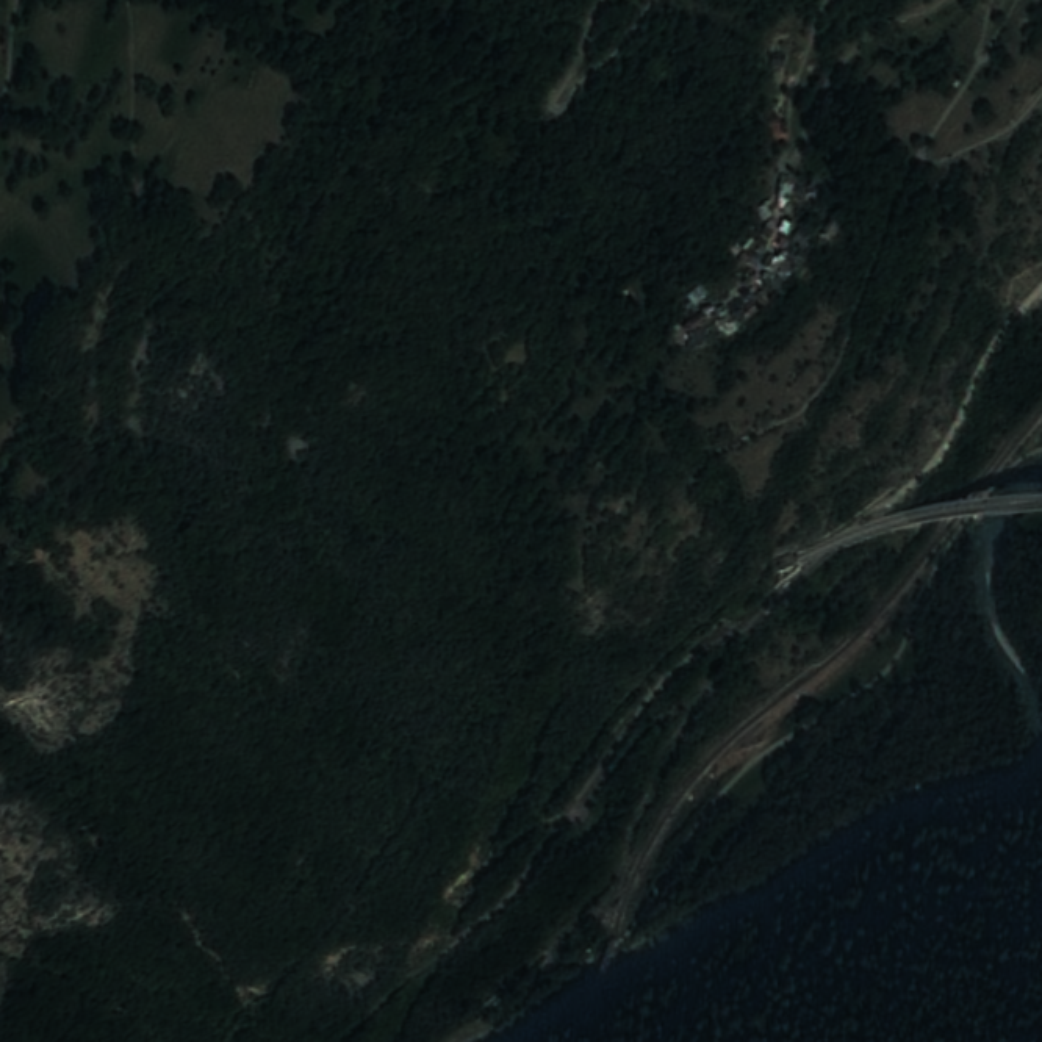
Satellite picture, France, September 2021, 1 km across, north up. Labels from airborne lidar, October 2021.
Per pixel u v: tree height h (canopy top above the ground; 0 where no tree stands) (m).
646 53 17
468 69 23
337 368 20
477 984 23
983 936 25
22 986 23
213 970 17
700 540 7
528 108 10
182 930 16
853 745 12
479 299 16
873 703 15
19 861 6
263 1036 13
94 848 18
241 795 19
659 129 24
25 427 11
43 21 0
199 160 0
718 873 10
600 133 23
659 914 17
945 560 11
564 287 18
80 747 11
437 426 19
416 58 21
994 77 9
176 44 0
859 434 6
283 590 14
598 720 18
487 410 19
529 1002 15
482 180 33
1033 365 13
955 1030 23
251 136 0
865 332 8
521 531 18
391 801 15
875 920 14
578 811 0
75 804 18
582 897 18
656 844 0
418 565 15
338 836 15
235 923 15
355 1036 17
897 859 29
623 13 16
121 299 20
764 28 17
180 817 19
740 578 14
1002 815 8
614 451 8
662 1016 17
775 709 0
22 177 15
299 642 8
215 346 7
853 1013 31
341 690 17
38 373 12
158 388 10
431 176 14
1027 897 23
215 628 14
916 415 6
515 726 13
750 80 27
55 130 18
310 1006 17
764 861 17
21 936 7
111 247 15
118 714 11
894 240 17
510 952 17
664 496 7
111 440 19
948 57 11
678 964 11
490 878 17
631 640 14
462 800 18
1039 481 0
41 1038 27
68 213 0
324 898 15
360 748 13
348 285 24
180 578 14
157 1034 12
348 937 15
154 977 11
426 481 17
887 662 0
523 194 24
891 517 6
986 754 16
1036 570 21
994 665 16
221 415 12
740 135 21
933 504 13
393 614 14
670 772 17
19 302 10
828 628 14
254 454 13
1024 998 37
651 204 20
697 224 21
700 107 24
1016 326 11
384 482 14
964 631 19
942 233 7
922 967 35
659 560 7
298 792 14
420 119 28
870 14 12
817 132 25
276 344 16
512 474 18
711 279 13
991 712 17
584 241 18
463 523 16
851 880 26
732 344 8
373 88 34
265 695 13
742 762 0
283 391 18
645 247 18
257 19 24
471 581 15
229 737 13
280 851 17
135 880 24
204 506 18
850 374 7
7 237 0
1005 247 16
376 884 17
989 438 9
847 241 11
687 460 11
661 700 12
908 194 11
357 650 11
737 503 17
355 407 7
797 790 12
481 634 16
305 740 18
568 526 16
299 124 18
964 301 13
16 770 19
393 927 16
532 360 13
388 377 16
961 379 11
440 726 14
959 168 9
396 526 15
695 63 22
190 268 15
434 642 15
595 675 16
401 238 15
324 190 21
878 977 26
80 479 49
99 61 0
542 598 17
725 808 15
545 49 15
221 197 10
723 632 0
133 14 0
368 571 13
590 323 14
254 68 0
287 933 15
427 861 17
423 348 17
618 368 9
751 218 15
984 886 34
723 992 16
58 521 12
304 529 14
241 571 16
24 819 7
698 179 21
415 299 16
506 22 23
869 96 18
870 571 16
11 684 10
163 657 15
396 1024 7
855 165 25
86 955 18
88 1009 19
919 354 13
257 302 13
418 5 20
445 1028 23
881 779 12
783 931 22
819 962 11
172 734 21
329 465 17
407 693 13
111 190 20
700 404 11
